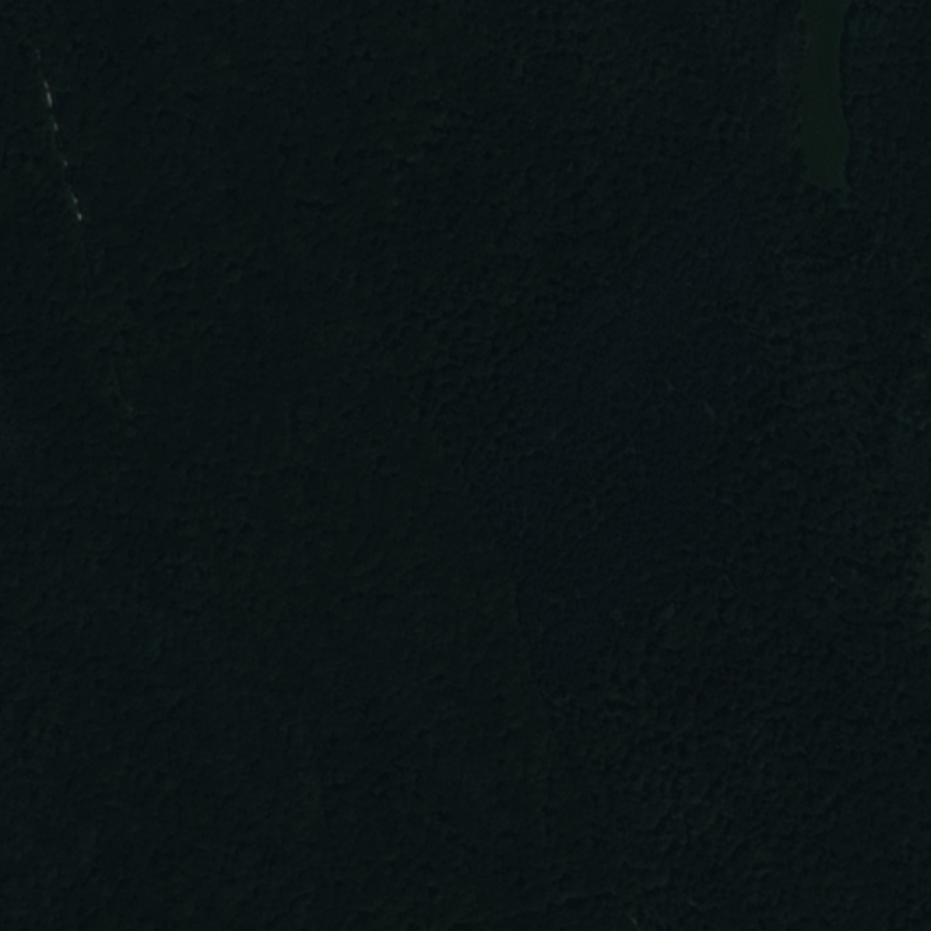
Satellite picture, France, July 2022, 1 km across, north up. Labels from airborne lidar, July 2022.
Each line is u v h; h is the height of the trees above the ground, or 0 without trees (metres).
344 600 26
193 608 24
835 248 13
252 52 24
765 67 20
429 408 23
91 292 19
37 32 22
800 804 20
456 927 23
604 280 12
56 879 20
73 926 25
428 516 25
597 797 27
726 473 16
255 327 24
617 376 25
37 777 26
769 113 20
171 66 25
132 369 17
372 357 28
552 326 20
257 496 29
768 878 27
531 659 20
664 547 22
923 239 26
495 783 28
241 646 20
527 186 20
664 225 13
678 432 18
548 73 18
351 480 30
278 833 25
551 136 16
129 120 22
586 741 21
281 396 24
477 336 16
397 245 17
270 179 24
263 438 27
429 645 23
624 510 20
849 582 24
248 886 19
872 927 22
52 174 22
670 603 24
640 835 20
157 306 20
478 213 17
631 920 22
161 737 25
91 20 30
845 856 22
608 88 18
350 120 30
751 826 13
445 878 30
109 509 20
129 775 24
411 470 26
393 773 32
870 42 22
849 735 15
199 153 26
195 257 24
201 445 21
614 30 15
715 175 17
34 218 21
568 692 16
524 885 24
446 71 24
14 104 28
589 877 25
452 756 25
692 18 20
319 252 25
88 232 19
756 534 10
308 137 26
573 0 18
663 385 24
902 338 25
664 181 16
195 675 21
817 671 23
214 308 23
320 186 27
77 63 29
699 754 20
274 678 19
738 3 25
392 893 24
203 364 21
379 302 20
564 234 15
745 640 16
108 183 24
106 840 24
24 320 21
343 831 27
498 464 18
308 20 27
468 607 28
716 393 20
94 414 21
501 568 28
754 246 25
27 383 26
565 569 18
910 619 20
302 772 24
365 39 28
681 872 20
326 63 30
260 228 22
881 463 26
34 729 22
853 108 22
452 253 21
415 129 27
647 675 20
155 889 25
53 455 23
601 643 16
